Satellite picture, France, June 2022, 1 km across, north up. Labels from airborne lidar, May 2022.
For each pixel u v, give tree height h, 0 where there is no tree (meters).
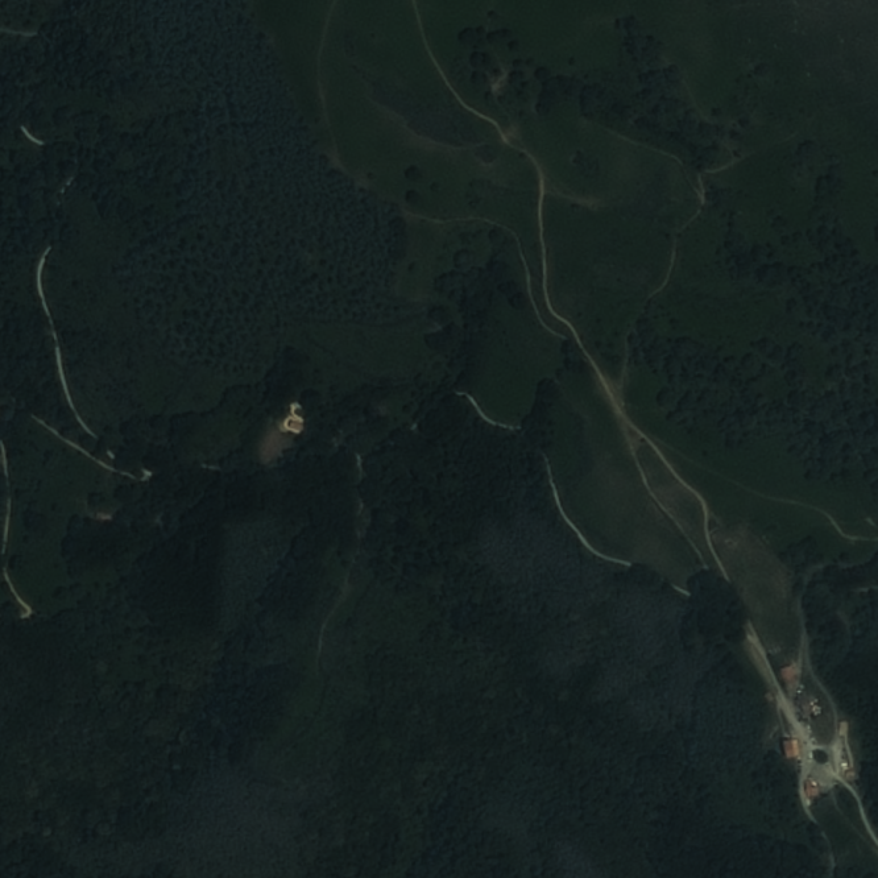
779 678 6
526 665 13
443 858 16
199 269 16
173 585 27
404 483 35
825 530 0
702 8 0
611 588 16
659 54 14
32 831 18
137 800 14
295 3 0
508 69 0
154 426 18
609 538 0
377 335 0
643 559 0
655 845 27
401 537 38
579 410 0
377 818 18
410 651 6
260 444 0
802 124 0
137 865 9
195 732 19
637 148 0
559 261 0
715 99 0
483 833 8
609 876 12
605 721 18
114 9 25
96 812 25
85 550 26
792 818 6
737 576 0
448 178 0
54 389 11
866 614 14
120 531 25
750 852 25
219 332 18
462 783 22
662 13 0
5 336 13
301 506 30
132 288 13
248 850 8
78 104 0
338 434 21
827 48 0
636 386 0
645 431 0
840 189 10
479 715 9
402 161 0
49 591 0
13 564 14
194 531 14
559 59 0
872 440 22
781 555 6
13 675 13
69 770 17
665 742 15
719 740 19
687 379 17
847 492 0
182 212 12
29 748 18
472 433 13
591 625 10
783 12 0
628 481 0
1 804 20
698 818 26
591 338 0
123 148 21
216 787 8
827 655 12
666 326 0
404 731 10
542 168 0
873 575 19
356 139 0
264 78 23
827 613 17
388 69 0
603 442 0
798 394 14
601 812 15
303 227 10
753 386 12
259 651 20
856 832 0
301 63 0
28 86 8
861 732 6
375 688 9
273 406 18
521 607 9
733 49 0
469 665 20
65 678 13
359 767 8
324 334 0
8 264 8
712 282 0
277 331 14
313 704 0
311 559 31
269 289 17
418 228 0
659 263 0
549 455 18
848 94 0
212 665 16
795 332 0
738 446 7
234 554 19
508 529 8
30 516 18
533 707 18
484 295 19
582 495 0
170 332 13
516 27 0
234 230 19
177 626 22
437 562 20
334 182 22
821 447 19
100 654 20
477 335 19
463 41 14
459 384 11
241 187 10
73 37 22
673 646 11
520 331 0
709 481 0
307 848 8
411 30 0
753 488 0
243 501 18
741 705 21
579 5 0
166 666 22
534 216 0
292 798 7
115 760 18
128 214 20
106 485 0
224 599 27
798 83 0
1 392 12
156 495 10
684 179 0
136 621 18
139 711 13
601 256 0
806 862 30
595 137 0
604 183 0
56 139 8
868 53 0
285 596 33
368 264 16
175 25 23
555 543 10
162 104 7
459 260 18
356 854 12
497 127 0
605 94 15
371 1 0
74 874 19
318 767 6
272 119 25
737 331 0
